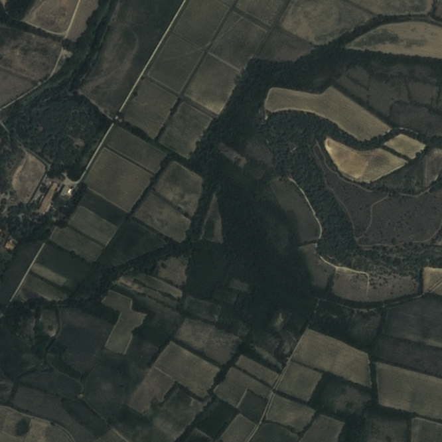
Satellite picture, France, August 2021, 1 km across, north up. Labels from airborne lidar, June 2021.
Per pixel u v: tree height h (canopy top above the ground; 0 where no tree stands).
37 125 10
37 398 0
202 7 0
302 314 7
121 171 0
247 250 12
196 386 0
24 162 0
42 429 0
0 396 0
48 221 24
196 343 0
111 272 14
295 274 8
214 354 0
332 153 0
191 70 0
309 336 0
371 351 9
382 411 6
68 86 20
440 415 0
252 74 18
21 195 0
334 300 8
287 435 0
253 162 6
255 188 7
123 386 7
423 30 0
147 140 10
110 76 0
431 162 0
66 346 7
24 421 0
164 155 0
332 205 9
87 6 0
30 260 0
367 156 0
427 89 0
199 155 13
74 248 0
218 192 7
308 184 9
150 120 0
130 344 0
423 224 0
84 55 6
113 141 0
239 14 0
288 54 0
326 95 0
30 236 17
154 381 0
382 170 0
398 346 0
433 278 0
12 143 11
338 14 0
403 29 0
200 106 0
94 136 15
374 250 9
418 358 0
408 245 10
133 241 0
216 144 16
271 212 7
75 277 0
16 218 9
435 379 0
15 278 0
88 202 0
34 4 0
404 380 0
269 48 0
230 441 0
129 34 0
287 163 13
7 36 0
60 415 0
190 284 6
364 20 0
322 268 0
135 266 13
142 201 11
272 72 10
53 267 0
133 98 0
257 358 7
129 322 0
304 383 0
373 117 0
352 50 6
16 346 0
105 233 0
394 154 8
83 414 0
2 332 0
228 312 7
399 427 0
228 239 10
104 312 9
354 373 0
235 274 8
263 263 10
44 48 0
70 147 13
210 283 6
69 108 13
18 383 7
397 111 0
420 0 0
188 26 0
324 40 0
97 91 0
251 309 7
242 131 8
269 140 15
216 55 0
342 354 0
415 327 0
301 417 0
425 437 0
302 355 0
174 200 0
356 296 0
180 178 0
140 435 0
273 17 0
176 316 0
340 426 0
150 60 0
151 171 0
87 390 0
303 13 0
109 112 0
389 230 0
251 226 10
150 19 0
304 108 0
